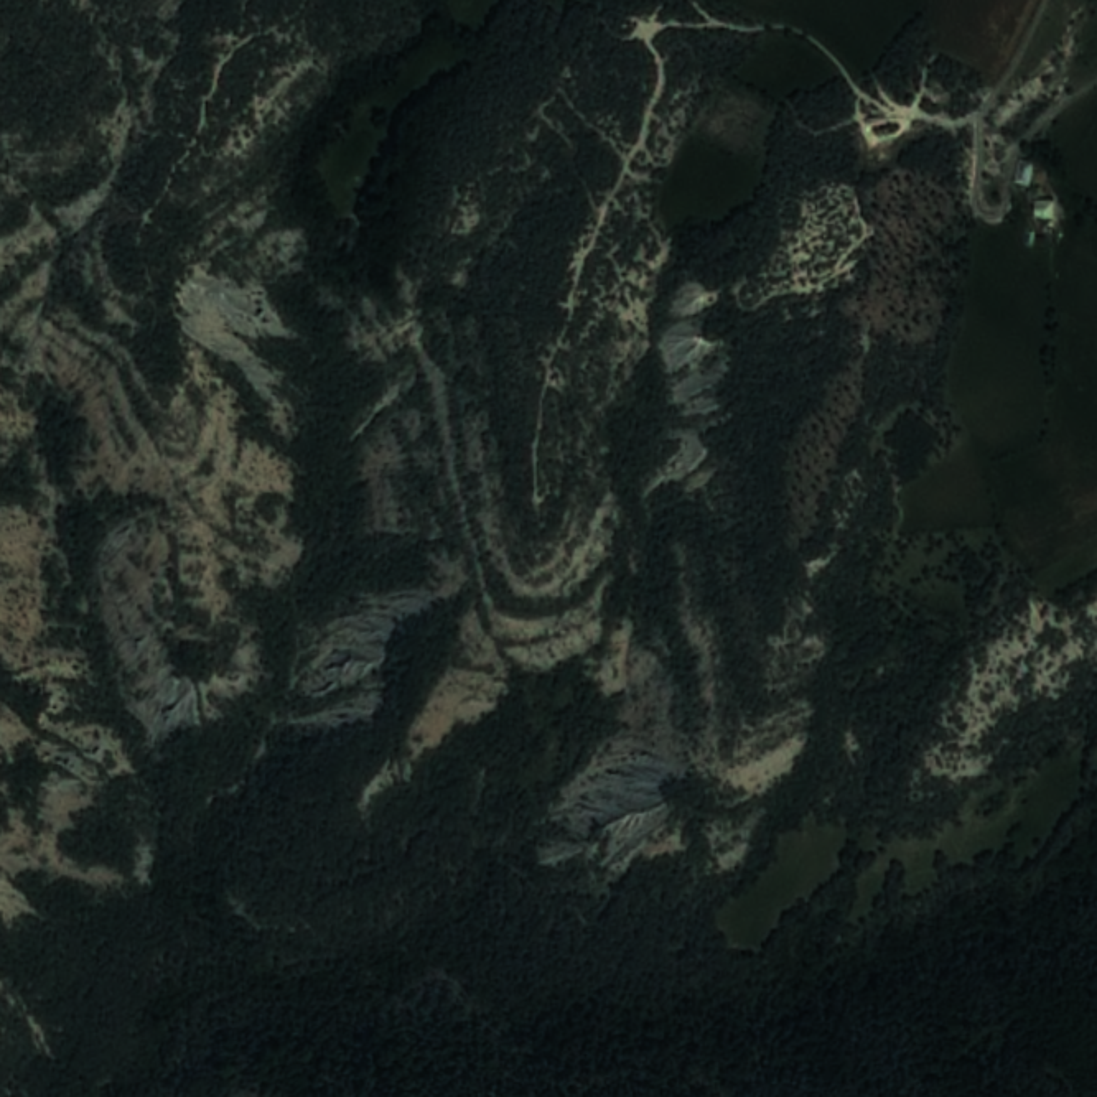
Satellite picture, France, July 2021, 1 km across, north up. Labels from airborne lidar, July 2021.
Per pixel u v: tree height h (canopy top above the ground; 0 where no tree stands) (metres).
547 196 8
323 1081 18
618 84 6
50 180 6
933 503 0
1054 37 0
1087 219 9
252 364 0
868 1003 19
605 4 6
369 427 6
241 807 9
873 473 6
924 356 9
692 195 0
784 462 10
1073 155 0
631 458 11
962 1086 22
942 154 9
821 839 0
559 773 7
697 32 8
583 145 8
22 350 7
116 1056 12
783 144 9
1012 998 15
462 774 8
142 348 6
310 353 6
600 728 7
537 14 13
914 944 20
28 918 6
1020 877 15
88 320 6
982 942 24
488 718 8
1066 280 0
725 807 6
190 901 8
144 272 6
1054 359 8
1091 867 15
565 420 7
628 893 9
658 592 8
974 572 8
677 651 7
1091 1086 12
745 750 0
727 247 15
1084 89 0
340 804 7
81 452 7
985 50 0
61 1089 10
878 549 7
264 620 8
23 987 7
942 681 9
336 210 9
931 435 9
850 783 6
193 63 6
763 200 8
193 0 12
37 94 6
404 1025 7
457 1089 18
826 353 7
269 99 0
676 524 7
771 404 7
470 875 9
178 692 0
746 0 0
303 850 9
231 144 0
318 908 9
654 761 0
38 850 0
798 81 0
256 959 14
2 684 8
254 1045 11
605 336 6
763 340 6
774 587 6
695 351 0
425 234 6
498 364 7
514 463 6
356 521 9
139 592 0
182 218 6
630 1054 21
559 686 10
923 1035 12
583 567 0
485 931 10
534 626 0
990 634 6
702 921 14
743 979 19
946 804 7
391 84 16
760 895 0
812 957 15
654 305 7
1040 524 0
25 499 7
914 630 11
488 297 6
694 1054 21
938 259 6
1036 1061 22
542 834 7
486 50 18
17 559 0
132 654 0
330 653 0
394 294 9
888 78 9
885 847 6
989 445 0
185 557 0
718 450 7
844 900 18
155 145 6
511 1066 13
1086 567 0
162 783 8
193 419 0
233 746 9
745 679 6
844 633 6
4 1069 7
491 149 6
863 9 0
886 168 8
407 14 9
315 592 9
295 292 9
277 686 6
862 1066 19
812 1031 31
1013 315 0
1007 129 8
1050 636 6
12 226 7
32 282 0
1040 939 22
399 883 13
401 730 7
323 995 14
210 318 0
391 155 23
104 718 6
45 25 6
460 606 7
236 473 0
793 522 8
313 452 12
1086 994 7
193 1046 14
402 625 7
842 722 7
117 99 6
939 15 0
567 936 12
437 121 11
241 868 7
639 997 15
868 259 6
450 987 8
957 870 14
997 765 8
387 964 7
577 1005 6
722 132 0
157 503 7
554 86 5
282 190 6
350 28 7
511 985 13
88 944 11
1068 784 0
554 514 6
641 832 0
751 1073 17
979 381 0
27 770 8
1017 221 7
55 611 7
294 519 6
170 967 12
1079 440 0
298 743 8
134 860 7
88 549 7
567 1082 21
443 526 8
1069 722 8
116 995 14
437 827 10
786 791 6
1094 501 0
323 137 10
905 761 14
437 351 7
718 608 7
